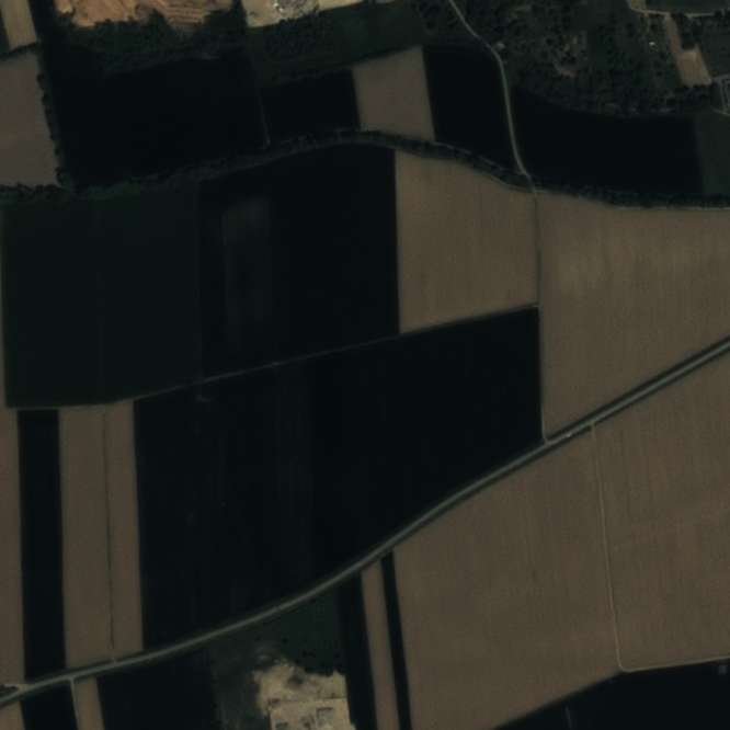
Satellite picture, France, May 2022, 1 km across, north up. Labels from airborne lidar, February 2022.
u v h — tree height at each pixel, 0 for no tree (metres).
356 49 0
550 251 0
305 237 0
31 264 0
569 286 0
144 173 0
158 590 0
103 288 0
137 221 0
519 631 0
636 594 0
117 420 0
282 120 0
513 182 10
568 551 0
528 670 0
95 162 0
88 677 0
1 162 0
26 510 0
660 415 0
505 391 0
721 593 0
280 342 0
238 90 0
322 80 0
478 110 0
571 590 0
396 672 0
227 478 0
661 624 0
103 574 0
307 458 0
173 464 0
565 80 9
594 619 0
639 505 0
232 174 0
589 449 0
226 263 0
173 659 0
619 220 0
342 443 0
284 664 0
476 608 0
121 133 0
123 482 0
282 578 0
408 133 0
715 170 0
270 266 0
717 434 0
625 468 0
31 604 0
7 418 0
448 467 0
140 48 10
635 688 0
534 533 0
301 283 0
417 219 0
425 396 0
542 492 0
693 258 0
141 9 0
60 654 0
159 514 0
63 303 0
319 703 0
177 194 0
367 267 0
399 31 0
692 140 0
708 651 0
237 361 0
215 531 0
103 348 0
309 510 0
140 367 0
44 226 0
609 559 0
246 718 0
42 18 0
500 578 0
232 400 0
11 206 0
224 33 0
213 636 0
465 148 0
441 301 0
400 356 0
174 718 0
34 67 0
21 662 0
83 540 0
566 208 0
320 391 0
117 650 0
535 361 0
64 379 0
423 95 0
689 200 9
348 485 0
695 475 0
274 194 0
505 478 0
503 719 0
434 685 0
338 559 0
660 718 0
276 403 0
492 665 0
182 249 0
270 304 0
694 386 0
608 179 0
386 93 0
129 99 0
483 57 0
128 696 0
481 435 0
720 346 0
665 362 0
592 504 0
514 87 0
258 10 0
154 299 0
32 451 0
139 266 0
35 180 0
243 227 0
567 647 0
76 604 0
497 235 0
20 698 0
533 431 0
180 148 0
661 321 0
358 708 0
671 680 0
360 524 0
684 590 0
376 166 0
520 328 0
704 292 0
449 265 0
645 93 8
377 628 0
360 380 0
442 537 0
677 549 0
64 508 0
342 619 0
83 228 0
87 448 0
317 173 0
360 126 0
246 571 0
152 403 0
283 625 0
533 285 0
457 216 0
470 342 0
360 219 0
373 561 0
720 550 0
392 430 0
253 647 0
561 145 0
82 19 0
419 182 0
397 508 0
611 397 0
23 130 0
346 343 0
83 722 0
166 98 0
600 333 0
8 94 0
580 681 0
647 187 0
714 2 0
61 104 0
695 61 0
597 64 0
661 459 0
